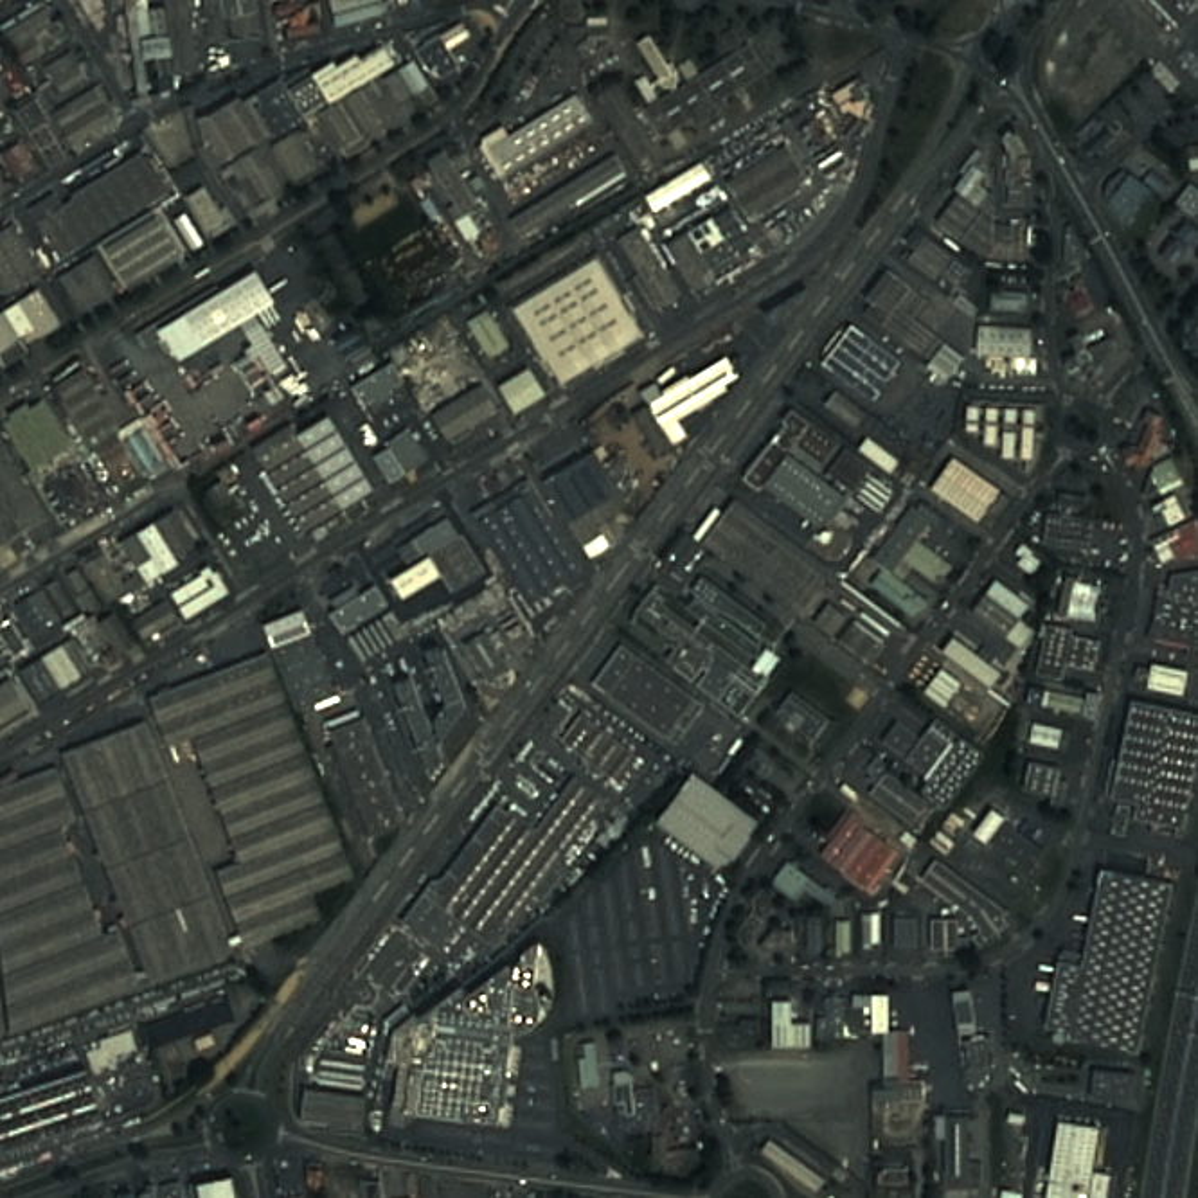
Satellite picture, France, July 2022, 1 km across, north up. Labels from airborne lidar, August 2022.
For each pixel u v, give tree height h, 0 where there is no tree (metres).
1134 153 0
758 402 0
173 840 0
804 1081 0
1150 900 0
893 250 0
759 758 0
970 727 0
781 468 0
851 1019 0
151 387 0
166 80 0
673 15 7
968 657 0
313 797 0
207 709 0
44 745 0
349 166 11
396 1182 0
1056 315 0
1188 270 10
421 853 0
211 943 0
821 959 6
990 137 0
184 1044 0
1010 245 0
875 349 0
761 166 0
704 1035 0
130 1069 0
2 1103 0
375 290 10
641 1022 8
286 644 0
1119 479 0
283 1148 0
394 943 0
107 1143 0
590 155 0
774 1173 0
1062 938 0
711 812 0
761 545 0
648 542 0
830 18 0
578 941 0
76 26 0
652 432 0
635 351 0
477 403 0
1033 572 8
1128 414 0
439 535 0
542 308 0
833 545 0
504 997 0
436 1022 0
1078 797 0
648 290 0
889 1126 0
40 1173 0
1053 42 0
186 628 0
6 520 0
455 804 0
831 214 0
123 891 0
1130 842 0
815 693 0
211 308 0
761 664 0
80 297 0
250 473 0
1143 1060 10
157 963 0
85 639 0
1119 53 0
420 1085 0
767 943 0
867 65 0
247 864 0
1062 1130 0
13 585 0
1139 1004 0
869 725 0
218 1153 0
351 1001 0
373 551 0
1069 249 0
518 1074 0
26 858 0
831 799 0
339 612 0
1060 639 0
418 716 0
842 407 0
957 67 0
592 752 0
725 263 0
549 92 0
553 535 0
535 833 0
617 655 0
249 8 0
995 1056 0
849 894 8
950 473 0
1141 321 0
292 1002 0
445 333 0
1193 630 0
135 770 0
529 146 0
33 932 0
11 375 10
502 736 0
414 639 0
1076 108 0
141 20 0
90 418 0
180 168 0
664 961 0
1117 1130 0
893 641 0
